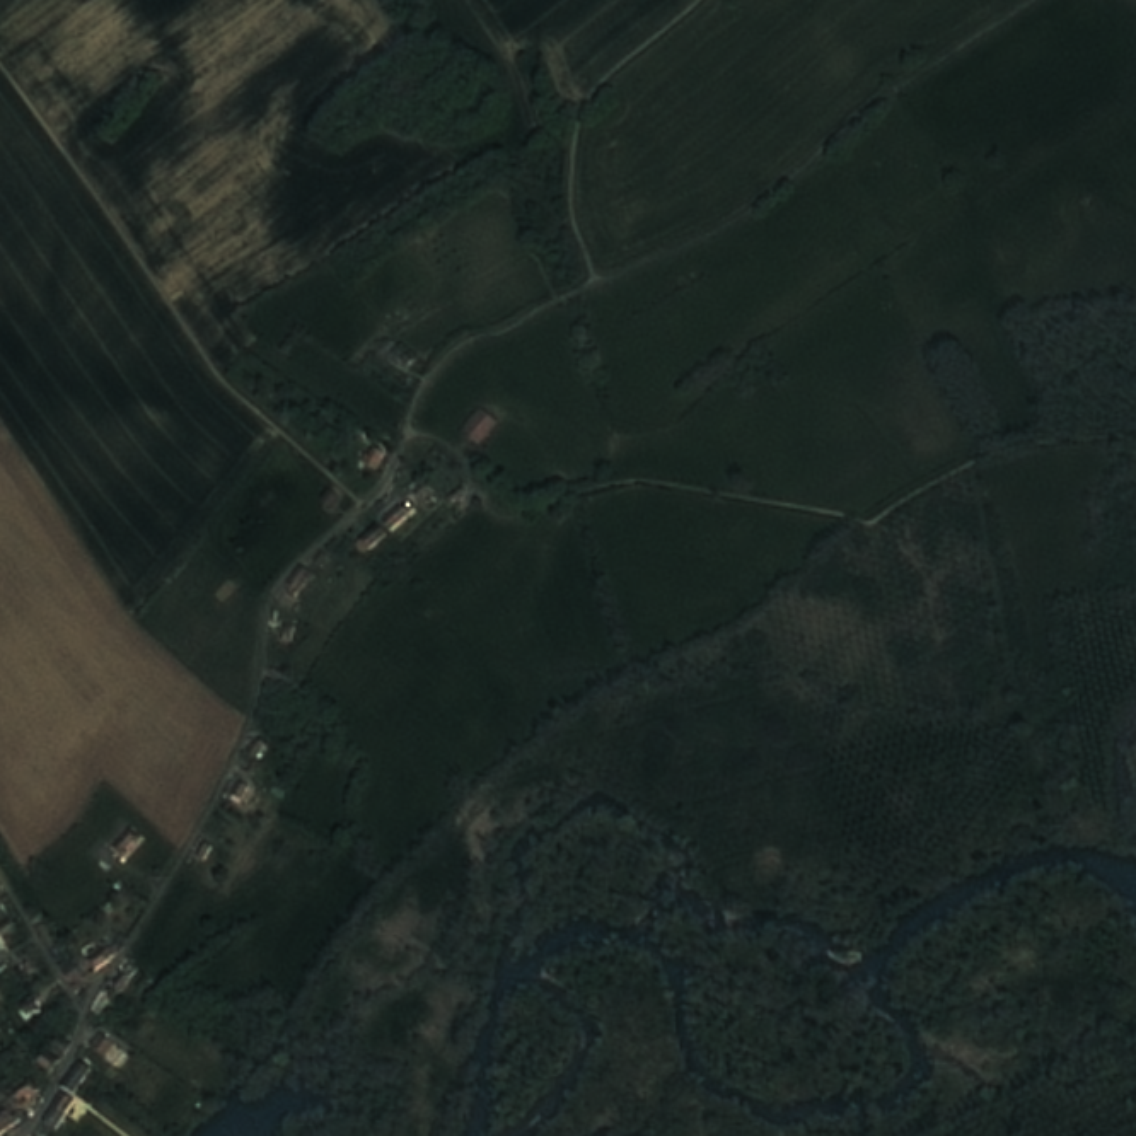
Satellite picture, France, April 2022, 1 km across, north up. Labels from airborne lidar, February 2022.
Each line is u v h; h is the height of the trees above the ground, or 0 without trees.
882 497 0
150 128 0
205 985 8
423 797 0
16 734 0
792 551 0
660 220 0
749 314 0
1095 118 0
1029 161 0
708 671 7
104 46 0
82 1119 0
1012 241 0
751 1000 20
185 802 0
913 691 0
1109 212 0
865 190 0
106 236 0
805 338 0
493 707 0
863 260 0
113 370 0
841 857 0
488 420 0
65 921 0
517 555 0
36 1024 12
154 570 0
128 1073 0
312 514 0
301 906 0
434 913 0
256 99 0
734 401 0
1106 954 24
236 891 0
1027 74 0
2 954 0
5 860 7
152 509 0
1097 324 21
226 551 0
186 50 0
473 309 0
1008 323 16
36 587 0
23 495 0
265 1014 17
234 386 0
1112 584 7
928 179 0
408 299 0
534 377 0
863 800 0
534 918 7
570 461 0
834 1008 22
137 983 0
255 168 0
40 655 0
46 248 0
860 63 0
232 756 0
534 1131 0
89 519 0
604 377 7
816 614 0
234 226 0
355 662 0
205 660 0
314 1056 20
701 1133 0
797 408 0
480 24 0
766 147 0
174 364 0
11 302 0
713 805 0
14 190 0
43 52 0
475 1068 16
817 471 0
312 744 8
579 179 0
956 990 11
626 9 0
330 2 0
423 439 0
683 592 0
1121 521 9
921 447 0
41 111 0
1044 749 5
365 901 15
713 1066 19
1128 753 8
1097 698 0
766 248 0
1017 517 0
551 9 0
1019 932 12
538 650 0
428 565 0
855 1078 14
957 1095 0
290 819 6
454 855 0
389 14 10
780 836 0
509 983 0
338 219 0
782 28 0
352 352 0
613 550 0
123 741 0
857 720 0
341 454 14
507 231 0
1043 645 0
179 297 0
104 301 0
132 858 0
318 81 0
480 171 14
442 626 0
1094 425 21
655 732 0
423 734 0
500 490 12
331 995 0
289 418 13
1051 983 0
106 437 0
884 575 0
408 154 0
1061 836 15
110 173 0
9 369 0
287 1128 10
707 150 0
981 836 0
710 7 0
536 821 15
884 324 0
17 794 0
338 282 0
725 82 0
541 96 12
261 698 7
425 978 5
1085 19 0
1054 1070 19
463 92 23
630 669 15
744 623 7
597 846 14
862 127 15
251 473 0
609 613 20
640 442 0
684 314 0
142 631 0
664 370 0
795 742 0
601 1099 0
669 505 0
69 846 0
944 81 0
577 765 0
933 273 0
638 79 0
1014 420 0
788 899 17
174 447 0
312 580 0
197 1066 0
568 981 15
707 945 24
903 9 0
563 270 10
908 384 0
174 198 0
